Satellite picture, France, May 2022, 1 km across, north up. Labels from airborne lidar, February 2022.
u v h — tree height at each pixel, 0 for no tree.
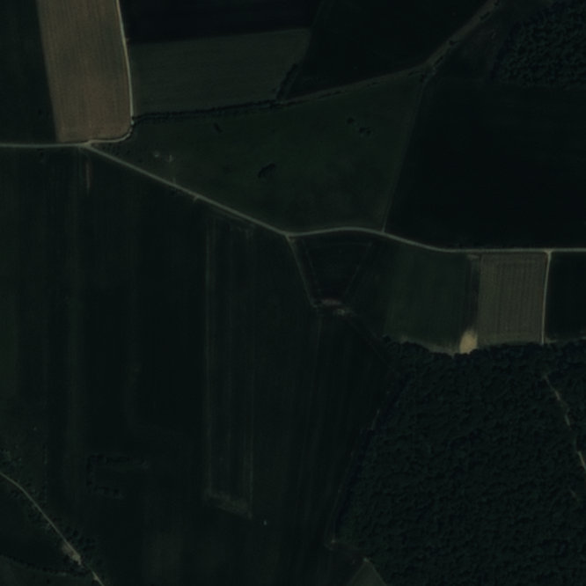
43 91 0
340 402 0
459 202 0
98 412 0
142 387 0
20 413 0
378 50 0
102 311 0
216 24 0
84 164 0
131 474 0
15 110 0
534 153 0
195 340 0
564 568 25
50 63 0
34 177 0
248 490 0
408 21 0
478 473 27
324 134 0
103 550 0
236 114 15
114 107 0
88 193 0
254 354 0
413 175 0
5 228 0
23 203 0
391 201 0
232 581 0
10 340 0
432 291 0
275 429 0
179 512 0
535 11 0
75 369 0
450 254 0
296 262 0
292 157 0
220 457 0
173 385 0
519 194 0
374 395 0
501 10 0
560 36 24
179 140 0
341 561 0
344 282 0
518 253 0
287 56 0
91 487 10
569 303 0
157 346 0
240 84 0
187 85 0
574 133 0
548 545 27
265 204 0
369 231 0
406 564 12
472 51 0
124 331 0
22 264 0
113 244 0
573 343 0
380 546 22
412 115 0
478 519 27
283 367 0
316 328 0
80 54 0
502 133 0
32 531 0
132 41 0
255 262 0
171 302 0
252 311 0
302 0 0
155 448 0
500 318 0
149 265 0
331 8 0
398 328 0
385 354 0
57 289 0
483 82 0
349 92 0
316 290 0
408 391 15
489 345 0
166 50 0
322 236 0
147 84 0
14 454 0
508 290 0
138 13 0
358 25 0
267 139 0
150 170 0
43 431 0
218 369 0
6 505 0
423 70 0
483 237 0
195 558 0
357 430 0
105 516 0
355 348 0
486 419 25
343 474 0
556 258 0
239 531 0
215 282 0
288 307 0
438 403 23
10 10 0
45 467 0
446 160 0
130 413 0
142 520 0
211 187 0
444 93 0
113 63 0
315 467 0
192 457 0
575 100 0
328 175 0
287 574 0
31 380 0
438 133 0
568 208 0
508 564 23
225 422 0
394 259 0
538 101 0
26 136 0
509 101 0
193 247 0
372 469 22
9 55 0
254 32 0
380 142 0
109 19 0
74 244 0
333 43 0
